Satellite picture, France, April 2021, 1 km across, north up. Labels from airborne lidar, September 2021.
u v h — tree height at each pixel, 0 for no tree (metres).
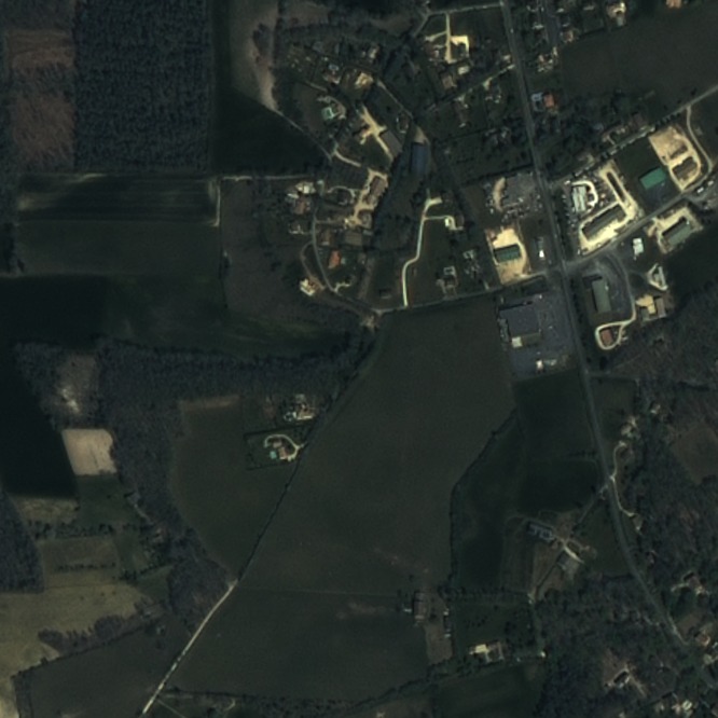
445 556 0
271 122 0
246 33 0
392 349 0
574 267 0
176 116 12
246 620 0
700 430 0
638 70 0
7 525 20
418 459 0
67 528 10
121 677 0
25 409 0
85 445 0
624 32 0
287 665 0
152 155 13
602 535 0
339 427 0
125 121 18
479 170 0
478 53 13
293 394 14
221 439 0
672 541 14
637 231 0
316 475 0
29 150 0
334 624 0
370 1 0
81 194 0
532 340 0
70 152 19
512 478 0
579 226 0
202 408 0
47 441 0
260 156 0
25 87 26
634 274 0
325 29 11
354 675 0
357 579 0
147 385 17
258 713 15
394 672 0
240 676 0
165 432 18
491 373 0
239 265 0
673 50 0
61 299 0
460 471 0
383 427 0
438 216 0
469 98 10
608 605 19
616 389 0
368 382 0
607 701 7
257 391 15
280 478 0
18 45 7
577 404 0
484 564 0
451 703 0
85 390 0
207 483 0
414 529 0
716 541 12
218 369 15
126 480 21
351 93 0
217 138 0
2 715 0
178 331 0
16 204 14
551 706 21
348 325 19
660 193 0
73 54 23
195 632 11
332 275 0
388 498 0
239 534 0
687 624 0
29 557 23
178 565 16
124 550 0
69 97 10
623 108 16
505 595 14
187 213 0
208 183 0
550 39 0
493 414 0
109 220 0
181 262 0
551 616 16
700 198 0
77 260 0
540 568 0
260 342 0
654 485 20
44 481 0
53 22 22
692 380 15
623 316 0
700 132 0
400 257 12
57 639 16
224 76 0
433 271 0
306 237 0
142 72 19
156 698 9
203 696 8
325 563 0
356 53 15
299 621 0
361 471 0
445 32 0
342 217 0
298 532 0
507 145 7
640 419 14
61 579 0
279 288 0
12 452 0
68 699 0
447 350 0
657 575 19
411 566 0
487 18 0
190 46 14
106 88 22
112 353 13
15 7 21
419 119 14
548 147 18
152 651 0
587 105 13
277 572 0
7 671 0
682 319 19
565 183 0
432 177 9
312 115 0
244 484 0
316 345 0
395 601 0
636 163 0
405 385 0
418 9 15
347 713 6
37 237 0
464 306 0
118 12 21
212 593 20
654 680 16
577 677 20
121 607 0
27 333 0
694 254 0
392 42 14
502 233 0
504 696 0
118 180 0
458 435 0
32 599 0
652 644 16
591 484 0
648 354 19
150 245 0
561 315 0
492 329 0
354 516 0
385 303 0
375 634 0
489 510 0
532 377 0
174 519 19
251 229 0
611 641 19
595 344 0
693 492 22
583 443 0
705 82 0
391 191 6
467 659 6
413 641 0
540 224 0
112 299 0
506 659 10
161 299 0
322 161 8
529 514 0
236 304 0
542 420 0
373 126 0
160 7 22
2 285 0
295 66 0
